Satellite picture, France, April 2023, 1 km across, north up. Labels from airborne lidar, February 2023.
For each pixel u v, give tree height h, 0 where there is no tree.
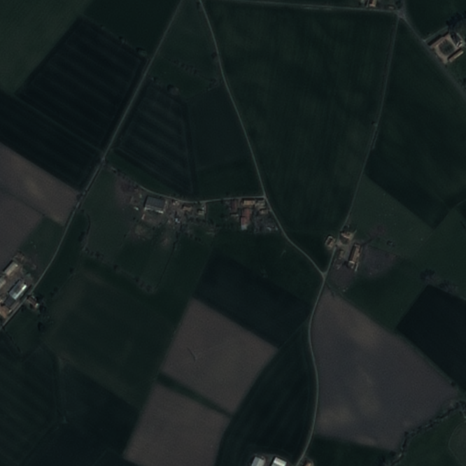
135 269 0
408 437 11
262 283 0
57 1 0
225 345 0
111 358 0
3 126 0
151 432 0
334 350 0
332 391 0
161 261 0
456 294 15
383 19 0
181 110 0
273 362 0
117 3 0
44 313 13
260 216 10
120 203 0
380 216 0
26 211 0
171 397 0
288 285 0
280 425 0
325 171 0
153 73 0
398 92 0
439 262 0
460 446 0
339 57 0
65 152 0
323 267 0
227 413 0
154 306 0
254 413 0
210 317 0
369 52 0
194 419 0
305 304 0
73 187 0
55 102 0
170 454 0
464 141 0
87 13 0
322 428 0
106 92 0
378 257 0
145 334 0
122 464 0
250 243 0
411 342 0
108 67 0
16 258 0
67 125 0
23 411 0
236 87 0
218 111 0
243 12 0
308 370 0
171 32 0
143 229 0
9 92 0
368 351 0
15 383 0
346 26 0
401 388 0
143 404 0
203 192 0
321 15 0
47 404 0
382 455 0
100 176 0
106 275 0
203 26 0
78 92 0
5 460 0
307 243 0
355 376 0
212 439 0
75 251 0
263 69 0
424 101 0
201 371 0
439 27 0
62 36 0
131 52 0
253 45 0
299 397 0
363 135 0
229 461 0
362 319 0
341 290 0
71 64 0
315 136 0
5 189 0
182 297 0
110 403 0
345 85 0
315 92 0
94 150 0
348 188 0
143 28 0
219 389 0
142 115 0
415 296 0
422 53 0
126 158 0
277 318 0
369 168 0
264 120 0
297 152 0
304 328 0
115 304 0
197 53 0
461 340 0
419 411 0
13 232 0
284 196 0
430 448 0
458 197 0
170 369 0
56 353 0
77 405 0
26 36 0
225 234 0
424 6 0
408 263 0
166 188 0
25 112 0
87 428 0
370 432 0
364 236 0
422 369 0
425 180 0
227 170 0
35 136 0
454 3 0
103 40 0
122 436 0
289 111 0
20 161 0
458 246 0
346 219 0
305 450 0
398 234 0
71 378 0
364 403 0
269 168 0
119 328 0
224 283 0
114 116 0
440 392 0
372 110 0
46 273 0
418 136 0
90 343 0
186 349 0
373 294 0
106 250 0
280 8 0
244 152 0
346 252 0
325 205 0
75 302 0
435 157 0
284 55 0
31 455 0
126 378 0
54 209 0
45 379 0
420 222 0
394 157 0
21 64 0
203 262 0
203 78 0
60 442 0
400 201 0
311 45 0
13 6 0
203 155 0
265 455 0
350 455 0
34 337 0
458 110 0
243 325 0
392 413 0
